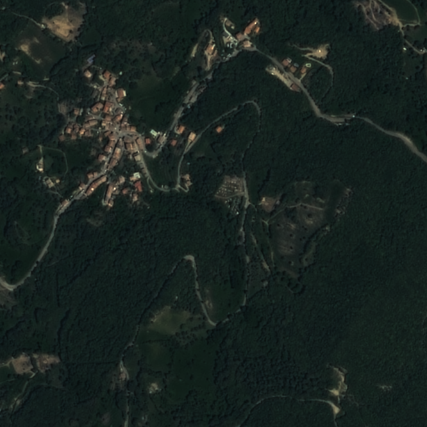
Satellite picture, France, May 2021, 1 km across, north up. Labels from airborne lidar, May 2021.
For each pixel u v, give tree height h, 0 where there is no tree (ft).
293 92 37
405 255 37
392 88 62
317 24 50
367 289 36
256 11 49
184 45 23
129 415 26
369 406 34
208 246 29
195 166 19
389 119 62
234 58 35
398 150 35
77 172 49
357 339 30
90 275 43
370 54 60
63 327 46
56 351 31
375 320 29
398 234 53
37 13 52
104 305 23
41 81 27
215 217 51
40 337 28
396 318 37
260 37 30
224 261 42
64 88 32
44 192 21
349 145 39
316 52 0
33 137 24
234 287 62
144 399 38
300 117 42
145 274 39
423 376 40
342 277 33
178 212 36
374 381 19
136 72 27
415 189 39
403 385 36
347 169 34
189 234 30
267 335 40
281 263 0
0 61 33
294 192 39
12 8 44
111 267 23
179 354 0
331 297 28
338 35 64
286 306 30
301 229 0
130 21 28
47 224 22
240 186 0
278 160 53
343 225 28
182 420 54
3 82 38
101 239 21
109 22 35
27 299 25
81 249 33
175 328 0
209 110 45
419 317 41
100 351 24
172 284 42
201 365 0
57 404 47
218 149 53
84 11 0
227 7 45
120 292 26
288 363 55
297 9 31
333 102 31
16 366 0
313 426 31
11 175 0
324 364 22
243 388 42
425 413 22
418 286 29
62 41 33
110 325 29
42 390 46
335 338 31
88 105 19
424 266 26
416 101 36
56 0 38
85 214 28
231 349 51
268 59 28
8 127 0
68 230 27
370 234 40
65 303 41
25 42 0
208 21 41
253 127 23
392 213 52
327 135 37
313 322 37
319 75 33
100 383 31
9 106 24
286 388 57
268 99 35
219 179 29
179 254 27
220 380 54
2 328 27
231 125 31
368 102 54
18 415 35
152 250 37
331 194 0
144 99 0
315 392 44
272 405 36
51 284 42
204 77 32
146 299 30
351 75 39
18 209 28
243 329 31
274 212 38
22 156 30
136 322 25
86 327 32
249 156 43
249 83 42
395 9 0
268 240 0
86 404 62
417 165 39
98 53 47
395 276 32
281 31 29
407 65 0
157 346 0
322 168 42
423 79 35
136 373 0
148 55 22
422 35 0
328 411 23
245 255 30
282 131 41
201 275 25
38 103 24
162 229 36
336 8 69
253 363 29
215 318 0
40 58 0
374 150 28
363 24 43
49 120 24
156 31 37
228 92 49
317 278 38
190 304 32
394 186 44
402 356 20
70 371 45
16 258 0
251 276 20
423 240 40
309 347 31
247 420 40
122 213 24
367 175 36
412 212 41
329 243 30
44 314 58
